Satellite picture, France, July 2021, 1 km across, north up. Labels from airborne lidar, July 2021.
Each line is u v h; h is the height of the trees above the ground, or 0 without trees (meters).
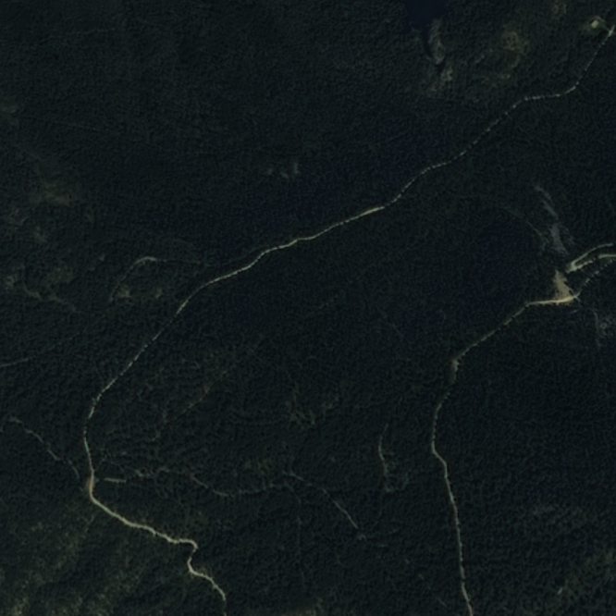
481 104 9
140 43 9
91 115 7
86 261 10
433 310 6
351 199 14
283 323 7
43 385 10
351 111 10
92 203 7
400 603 11
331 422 11
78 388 6
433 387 9
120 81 10
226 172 12
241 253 12
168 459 15
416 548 8
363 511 14
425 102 7
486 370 12
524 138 9
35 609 7
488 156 12
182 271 8
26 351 8
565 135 7
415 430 12
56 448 11
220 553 10
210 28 11
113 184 9
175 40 9
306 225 13
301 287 13
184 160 9
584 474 18
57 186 0
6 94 6
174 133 12
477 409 10
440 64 8
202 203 10
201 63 9
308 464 14
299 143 9
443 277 12
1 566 7
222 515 11
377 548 13
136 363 8
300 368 7
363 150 13
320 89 10
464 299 14
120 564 6
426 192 8
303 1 8
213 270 8
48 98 8
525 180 13
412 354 10
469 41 9
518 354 7
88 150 8
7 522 6
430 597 13
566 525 14
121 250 13
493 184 12
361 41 10
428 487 9
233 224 10
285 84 7
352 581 11
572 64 17
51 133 9
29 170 8
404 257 10
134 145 9
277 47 8
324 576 11
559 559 10
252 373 12
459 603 7
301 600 13
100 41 8
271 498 15
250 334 9
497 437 7
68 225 10
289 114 12
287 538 12
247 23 9
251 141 8
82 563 9
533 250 14
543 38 12
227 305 12
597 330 13
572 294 9
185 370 10
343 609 15
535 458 14
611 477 17
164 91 10
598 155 13
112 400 10
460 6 12
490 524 11
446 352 9
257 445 9
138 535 8
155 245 7
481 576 7
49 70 7
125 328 13
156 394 7
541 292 12
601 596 14
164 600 9
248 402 10
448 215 14
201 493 12
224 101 8
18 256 13
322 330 8
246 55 7
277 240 10
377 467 11
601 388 17
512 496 11
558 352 11
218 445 11
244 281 11
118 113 10
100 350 9
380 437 9
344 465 10
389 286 11
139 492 7
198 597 6
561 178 14
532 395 14
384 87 10
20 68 9
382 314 12
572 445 11
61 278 0
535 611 7
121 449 11
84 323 10
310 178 10
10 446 11
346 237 11
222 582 11
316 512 14
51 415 9
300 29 6
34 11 8
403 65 8
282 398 12
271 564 9
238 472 8
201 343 11
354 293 13
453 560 11
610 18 15
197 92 10
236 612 8
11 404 9
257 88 7
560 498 8
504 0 12
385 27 8
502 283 15
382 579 9
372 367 8
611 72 14
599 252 6
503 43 7
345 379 13
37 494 8
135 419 7
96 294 6
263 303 11
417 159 13
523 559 14
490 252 13
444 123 10
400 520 13
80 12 7
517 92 14
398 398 7
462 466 15
